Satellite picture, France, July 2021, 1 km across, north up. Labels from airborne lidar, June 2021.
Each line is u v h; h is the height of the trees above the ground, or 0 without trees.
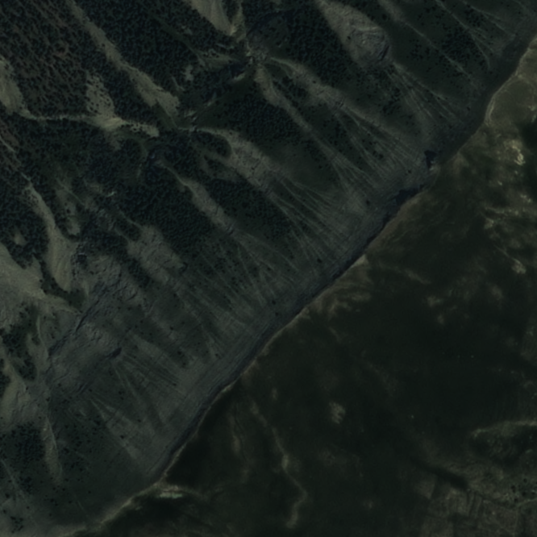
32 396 0
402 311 0
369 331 0
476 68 0
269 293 0
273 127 10
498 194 0
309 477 0
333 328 0
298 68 0
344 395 0
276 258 0
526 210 0
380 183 0
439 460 0
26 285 0
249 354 0
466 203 0
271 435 0
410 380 0
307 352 0
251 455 0
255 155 0
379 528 0
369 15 6
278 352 0
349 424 0
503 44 0
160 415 0
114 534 0
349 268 0
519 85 0
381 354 0
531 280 0
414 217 0
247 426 0
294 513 0
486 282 0
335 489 0
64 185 0
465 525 0
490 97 0
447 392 0
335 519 0
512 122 0
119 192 7
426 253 0
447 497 0
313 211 0
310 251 0
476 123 0
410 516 0
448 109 0
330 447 0
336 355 0
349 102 0
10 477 0
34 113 13
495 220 0
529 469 0
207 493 0
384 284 0
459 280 0
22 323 0
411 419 0
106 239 12
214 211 0
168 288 0
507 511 0
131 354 0
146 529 0
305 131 0
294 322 0
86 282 0
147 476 0
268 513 0
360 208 0
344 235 0
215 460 0
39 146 10
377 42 0
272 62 0
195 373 0
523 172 0
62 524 0
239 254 0
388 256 0
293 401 0
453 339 0
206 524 0
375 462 0
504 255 0
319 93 0
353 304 0
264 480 0
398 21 0
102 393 0
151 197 16
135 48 20
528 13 0
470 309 0
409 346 0
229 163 0
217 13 0
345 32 0
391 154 0
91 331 0
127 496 0
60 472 0
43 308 0
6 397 0
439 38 0
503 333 0
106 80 9
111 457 0
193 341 0
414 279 0
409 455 0
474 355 0
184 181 0
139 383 0
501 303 0
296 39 17
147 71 10
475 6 0
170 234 11
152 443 0
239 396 0
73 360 0
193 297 0
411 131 0
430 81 0
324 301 0
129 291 0
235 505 0
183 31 12
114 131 0
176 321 0
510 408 0
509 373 0
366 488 0
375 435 0
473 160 0
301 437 0
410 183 0
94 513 0
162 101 0
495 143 0
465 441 0
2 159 22
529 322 0
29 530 0
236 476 0
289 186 0
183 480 0
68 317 0
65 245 0
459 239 0
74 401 0
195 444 0
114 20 17
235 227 0
